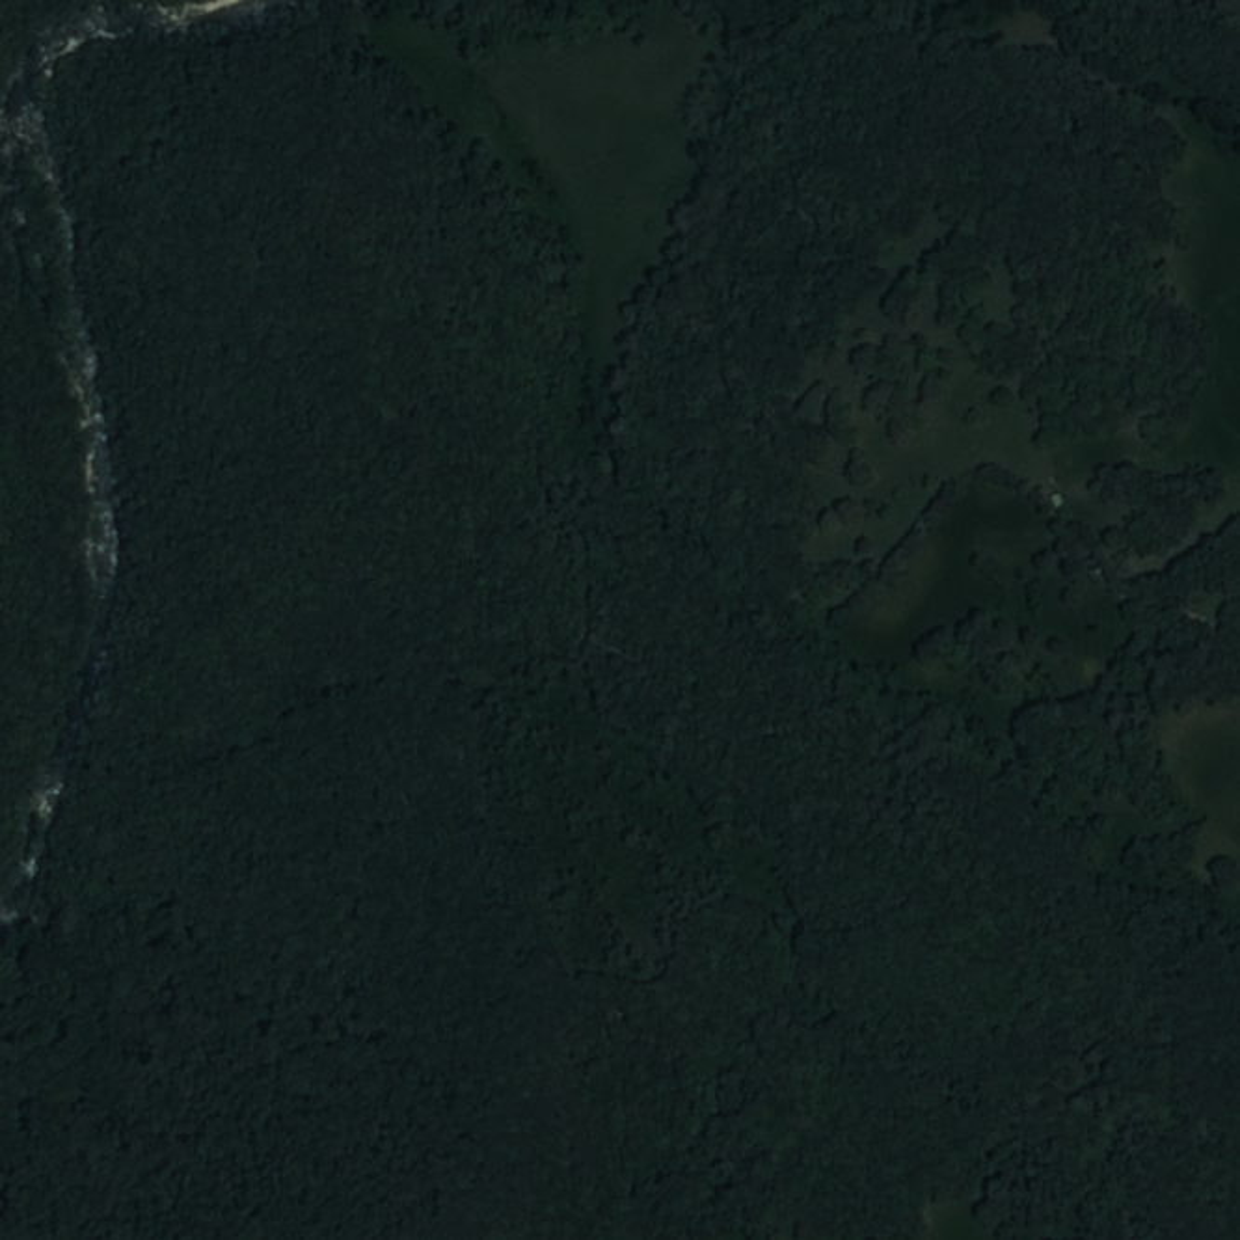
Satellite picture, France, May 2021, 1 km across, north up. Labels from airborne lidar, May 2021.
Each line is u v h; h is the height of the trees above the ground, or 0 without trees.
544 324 11
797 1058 15
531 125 0
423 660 16
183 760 14
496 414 13
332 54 22
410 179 17
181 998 20
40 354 16
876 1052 15
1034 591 6
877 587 15
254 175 15
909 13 15
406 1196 14
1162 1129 9
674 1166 10
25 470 13
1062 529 12
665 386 13
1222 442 0
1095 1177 14
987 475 11
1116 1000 11
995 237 12
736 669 10
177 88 20
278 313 12
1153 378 15
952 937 11
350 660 15
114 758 15
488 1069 19
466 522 12
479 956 18
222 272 14
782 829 9
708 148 19
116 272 17
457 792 14
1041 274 9
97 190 12
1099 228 17
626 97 0
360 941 16
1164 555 14
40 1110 20
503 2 17
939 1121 16
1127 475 18
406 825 16
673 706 6
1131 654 12
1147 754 12
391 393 12
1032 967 13
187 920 19
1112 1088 13
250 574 11
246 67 22
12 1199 23
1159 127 21
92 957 22
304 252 8
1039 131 17
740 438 12
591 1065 12
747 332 16
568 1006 14
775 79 13
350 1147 19
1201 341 19
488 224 6
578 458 13
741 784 12
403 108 23
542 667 16
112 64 18
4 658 12
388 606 9
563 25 18
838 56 13
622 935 11
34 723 19
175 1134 17
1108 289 15
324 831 17
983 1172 11
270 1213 17
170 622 14
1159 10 14
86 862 16
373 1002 19
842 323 8
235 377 15
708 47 0
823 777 9
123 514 13
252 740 16
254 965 20
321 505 8
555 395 14
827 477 0
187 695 12
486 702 12
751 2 20
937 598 0
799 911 13
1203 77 14
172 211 13
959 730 17
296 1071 19
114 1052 20
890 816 13
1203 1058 12
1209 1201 9
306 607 10
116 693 6
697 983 14
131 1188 18
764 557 11
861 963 15
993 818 12
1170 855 10
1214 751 0
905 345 10
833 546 0
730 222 14
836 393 9
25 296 14
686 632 8
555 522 9
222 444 14
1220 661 13
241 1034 17
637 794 11
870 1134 17
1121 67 20
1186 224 15
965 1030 16
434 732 13
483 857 8
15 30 18
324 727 14
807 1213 11
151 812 12
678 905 9
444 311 15
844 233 13
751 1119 17
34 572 11
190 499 12
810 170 15
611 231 0
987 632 16
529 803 11
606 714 13
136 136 11
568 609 9
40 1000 19
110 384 15
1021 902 16
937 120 19
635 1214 15
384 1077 17
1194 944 16
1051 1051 15
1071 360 10
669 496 18
